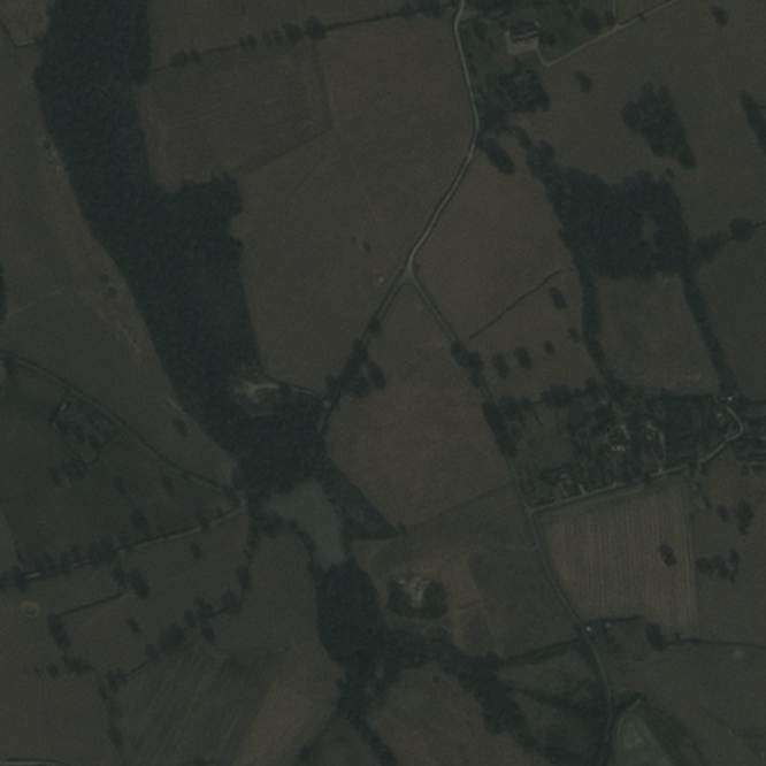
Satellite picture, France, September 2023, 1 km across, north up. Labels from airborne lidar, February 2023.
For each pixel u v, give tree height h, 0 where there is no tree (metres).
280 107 0
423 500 0
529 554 0
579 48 0
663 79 0
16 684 0
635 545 0
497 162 16
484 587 0
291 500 0
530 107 13
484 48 0
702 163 0
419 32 0
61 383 0
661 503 0
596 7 0
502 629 0
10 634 0
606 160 0
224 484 0
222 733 0
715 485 0
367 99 0
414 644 17
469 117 0
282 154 0
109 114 6
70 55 22
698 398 7
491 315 0
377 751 13
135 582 15
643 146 0
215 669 0
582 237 20
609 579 0
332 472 8
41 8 0
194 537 0
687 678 0
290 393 13
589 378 0
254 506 16
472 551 0
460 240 0
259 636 0
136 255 20
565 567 0
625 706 6
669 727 0
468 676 13
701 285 0
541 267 0
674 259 16
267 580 0
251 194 0
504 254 0
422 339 0
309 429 20
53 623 15
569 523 0
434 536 0
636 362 0
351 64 0
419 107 0
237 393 0
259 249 0
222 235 14
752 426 7
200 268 7
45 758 0
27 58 0
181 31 0
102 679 0
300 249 0
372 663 0
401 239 0
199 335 19
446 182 0
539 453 0
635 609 0
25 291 0
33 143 0
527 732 0
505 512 0
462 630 0
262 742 0
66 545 0
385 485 0
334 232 0
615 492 0
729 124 0
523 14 0
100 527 0
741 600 0
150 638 0
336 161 0
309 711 0
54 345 0
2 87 0
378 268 0
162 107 0
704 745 0
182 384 14
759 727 0
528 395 0
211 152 0
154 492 0
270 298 0
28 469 0
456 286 0
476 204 0
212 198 15
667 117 26
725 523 0
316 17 0
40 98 10
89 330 0
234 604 18
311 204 0
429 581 0
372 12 0
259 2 0
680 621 0
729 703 0
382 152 0
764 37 0
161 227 19
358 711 0
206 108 0
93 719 0
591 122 0
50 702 0
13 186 0
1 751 0
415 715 0
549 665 0
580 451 9
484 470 0
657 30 0
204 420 7
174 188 0
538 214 0
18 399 0
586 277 13
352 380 14
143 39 8
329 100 0
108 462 0
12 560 0
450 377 0
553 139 0
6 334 0
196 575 0
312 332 0
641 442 14
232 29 0
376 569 0
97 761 0
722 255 0
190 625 12
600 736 7
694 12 0
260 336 0
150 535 16
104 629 0
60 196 0
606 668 0
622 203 17
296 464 23
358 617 35
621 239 20
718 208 0
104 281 0
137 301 8
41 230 0
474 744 0
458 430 0
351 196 0
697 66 0
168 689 0
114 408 0
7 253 0
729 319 0
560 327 0
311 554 5
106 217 21
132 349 0
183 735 0
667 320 0
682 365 0
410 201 0
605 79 0
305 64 0
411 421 0
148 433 0
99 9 27
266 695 0
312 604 0
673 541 0
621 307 0
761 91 0
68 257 0
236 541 0
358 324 0
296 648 0
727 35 0
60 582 0
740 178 0
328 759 0
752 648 0
